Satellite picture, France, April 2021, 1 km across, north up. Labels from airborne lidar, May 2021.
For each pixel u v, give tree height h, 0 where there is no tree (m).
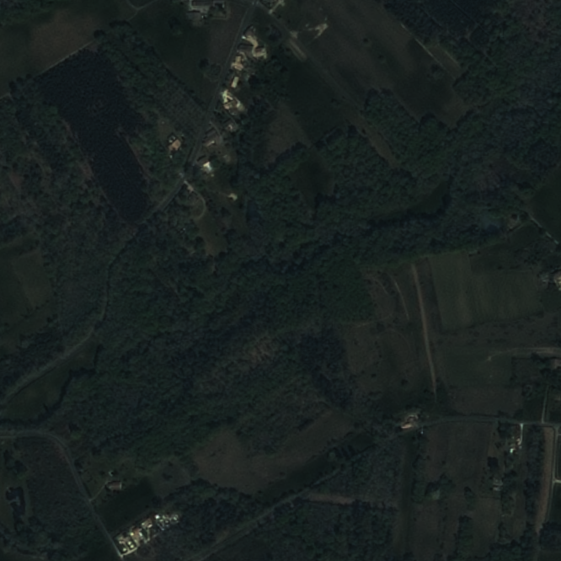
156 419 19
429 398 6
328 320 17
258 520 15
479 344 0
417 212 0
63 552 9
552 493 0
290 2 0
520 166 14
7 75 0
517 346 0
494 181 7
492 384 0
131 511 0
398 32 0
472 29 6
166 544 7
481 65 18
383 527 18
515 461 8
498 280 0
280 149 0
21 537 25
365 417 11
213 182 0
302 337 13
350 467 15
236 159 0
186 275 23
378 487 20
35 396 0
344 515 18
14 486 0
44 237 9
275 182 18
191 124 25
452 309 0
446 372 0
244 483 0
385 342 0
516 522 0
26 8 20
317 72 0
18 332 0
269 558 8
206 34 0
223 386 6
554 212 0
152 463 21
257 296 28
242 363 14
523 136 22
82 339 12
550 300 0
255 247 25
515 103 20
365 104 0
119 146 11
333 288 15
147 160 13
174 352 13
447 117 0
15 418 0
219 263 15
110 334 19
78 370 0
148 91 17
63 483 8
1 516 0
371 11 0
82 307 10
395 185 20
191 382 14
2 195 12
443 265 0
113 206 7
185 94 24
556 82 22
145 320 23
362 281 15
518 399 0
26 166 9
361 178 12
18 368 6
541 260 6
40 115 12
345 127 0
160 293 21
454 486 7
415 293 0
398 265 10
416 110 0
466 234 24
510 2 12
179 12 0
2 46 0
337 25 0
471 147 22
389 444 15
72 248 11
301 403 7
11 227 13
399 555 0
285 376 16
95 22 0
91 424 13
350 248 20
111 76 13
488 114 9
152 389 17
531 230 0
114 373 23
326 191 0
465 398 0
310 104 0
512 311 0
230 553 10
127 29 14
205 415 16
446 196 0
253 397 15
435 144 21
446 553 0
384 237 25
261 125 22
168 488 0
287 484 0
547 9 16
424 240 23
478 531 0
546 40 22
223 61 0
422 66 0
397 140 14
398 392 0
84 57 7
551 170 21
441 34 17
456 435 0
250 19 0
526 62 24
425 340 0
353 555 17
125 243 18
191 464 20
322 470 0
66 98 11
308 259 11
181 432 22
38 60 0
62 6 0
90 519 12
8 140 18
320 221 19
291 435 6
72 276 11
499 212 16
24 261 0
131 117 12
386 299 0
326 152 20
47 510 6
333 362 16
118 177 10
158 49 0
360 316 11
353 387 11
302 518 24
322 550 23
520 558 19
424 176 19
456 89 9
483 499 0
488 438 0
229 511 19
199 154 0
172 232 13
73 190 18
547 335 0
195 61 0
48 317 0
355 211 28
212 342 19
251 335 18
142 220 7
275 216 19
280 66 17
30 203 7
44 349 6
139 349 7
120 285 16
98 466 0
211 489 17
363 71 0
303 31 0
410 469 0
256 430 9
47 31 0
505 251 0
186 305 14
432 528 0
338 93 0
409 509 0
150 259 21
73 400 18
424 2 7
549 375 17
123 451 29
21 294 0
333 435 0
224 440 0
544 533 8
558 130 19
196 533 21
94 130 10
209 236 0
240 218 0
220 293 16
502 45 18
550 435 0
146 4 0
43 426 19
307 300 19
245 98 0
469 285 0
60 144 13
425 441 15
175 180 23
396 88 0
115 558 0
